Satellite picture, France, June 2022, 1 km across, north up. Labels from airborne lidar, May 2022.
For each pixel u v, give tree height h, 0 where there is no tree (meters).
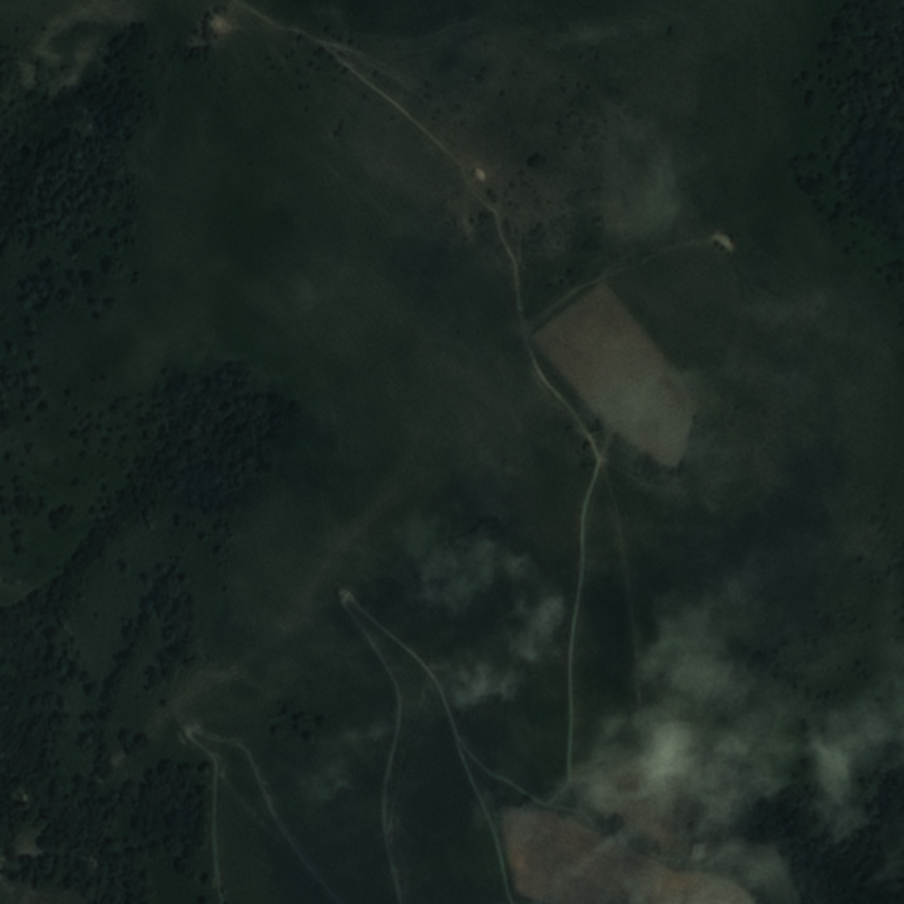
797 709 0
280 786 0
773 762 0
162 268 0
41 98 14
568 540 0
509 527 0
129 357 0
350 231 0
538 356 0
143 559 0
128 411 11
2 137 13
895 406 0
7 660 19
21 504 14
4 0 0
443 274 0
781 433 0
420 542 0
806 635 8
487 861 0
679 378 0
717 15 0
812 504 0
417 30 0
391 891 0
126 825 0
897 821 21
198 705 0
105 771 16
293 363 0
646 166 0
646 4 0
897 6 16
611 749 0
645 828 0
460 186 0
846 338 0
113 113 15
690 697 0
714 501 0
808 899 15
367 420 0
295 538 0
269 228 0
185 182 0
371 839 0
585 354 0
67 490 0
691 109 0
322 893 0
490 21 0
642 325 0
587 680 0
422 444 0
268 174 0
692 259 0
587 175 0
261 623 0
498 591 0
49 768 10
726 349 0
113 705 12
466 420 0
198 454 18
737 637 0
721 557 0
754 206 0
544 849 0
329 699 0
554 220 0
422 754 0
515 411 0
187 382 19
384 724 0
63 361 0
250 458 14
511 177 0
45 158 15
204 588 0
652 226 0
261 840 0
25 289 13
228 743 0
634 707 0
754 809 21
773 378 0
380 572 0
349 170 0
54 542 0
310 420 0
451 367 0
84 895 7
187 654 15
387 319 0
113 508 15
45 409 13
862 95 14
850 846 23
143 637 9
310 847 0
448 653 0
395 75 0
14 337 0
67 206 10
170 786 17
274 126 0
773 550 0
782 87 0
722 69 0
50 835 12
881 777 14
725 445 0
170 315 0
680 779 0
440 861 0
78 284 18
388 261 0
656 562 0
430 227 0
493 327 0
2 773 7
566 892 0
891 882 28
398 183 0
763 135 0
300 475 0
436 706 0
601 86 0
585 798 13
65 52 0
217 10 7
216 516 9
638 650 0
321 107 0
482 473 0
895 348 0
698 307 0
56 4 0
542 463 0
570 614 0
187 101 0
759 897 7
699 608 0
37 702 14
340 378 0
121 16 0
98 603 0
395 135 0
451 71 0
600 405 0
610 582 0
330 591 0
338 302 0
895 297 0
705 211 0
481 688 0
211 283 0
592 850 0
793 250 0
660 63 0
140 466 11
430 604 0
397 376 0
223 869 0
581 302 0
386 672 0
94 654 0
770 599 0
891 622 0
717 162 0
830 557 0
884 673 0
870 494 0
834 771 6
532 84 0
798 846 16
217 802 0
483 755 0
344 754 0
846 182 11
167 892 0
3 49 10
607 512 0
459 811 0
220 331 0
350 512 0
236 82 0
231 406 14
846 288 0
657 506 0
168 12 0
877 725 12
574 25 0
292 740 0
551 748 0
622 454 0
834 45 10
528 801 12
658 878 0
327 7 0
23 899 0
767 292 0
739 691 0
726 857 0
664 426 0
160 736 0
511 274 0
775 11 0
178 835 10
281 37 0
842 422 0
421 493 0
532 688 0
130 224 12
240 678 0
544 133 0
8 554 0
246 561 0
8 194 18
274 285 0
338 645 0
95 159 14
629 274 0
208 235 0
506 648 0
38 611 12
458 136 0
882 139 17
